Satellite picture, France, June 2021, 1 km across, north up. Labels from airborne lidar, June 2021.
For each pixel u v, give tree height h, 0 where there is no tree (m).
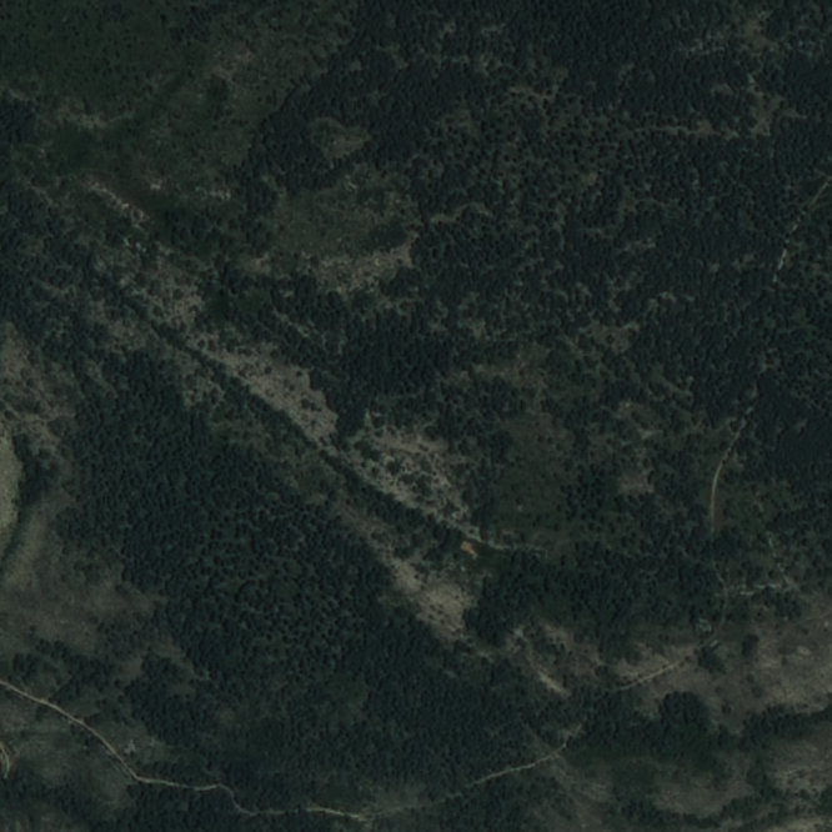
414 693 11
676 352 8
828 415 13
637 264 7
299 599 12
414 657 13
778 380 12
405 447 0
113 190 0
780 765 0
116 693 0
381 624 13
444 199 9
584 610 12
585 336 7
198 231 7
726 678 0
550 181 7
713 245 9
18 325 7
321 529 13
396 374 12
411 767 10
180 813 14
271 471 10
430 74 11
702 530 11
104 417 11
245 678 9
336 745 9
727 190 11
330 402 9
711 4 10
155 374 12
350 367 7
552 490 0
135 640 9
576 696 8
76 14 6
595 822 0
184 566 12
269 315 9
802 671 0
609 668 10
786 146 10
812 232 8
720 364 10
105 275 7
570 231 10
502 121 9
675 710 13
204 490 13
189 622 11
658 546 11
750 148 6
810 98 10
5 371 0
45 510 0
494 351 8
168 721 12
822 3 8
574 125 11
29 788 10
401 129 14
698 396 11
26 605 0
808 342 11
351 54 8
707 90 8
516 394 9
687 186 12
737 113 9
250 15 8
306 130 13
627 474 0
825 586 7
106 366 7
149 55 0
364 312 9
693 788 0
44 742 0
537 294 8
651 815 10
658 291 10
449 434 9
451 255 10
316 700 7
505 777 9
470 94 10
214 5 8
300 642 14
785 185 12
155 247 8
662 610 7
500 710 11
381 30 10
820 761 0
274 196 9
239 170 9
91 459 10
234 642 17
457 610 0
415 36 10
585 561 13
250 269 0
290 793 8
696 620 11
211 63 0
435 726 12
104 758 0
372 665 10
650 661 0
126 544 9
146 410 6
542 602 7
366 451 6
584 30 15
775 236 8
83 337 9
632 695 7
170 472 7
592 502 14
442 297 6
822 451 13
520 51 14
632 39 14
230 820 9
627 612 10
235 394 9
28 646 0
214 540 11
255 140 6
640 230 6
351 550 10
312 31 7
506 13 12
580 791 0
